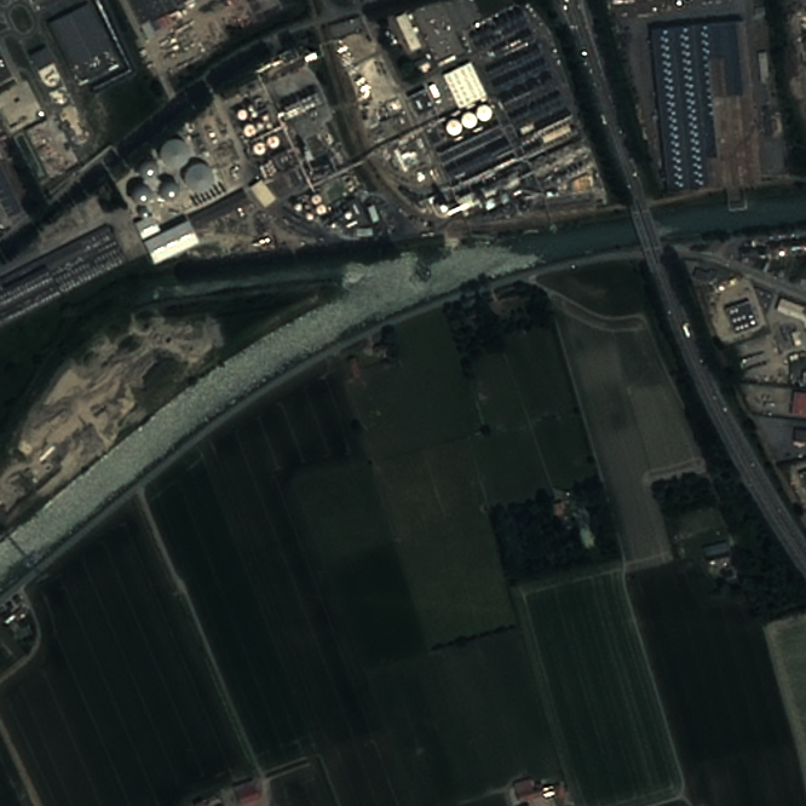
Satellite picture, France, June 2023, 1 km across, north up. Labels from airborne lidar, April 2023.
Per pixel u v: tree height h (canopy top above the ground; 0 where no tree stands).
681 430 0
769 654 0
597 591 0
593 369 0
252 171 0
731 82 0
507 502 0
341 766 0
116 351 0
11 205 0
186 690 0
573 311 0
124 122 0
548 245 0
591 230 0
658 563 0
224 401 0
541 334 0
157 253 0
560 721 0
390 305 0
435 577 0
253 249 0
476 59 0
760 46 0
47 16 0
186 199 0
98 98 0
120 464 0
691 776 0
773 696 0
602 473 0
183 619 0
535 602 0
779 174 0
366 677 0
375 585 0
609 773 0
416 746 0
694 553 0
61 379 0
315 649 0
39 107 0
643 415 0
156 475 0
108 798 0
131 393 0
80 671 0
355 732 0
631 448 0
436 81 0
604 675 0
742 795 0
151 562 0
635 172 0
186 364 0
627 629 0
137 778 0
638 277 0
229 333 0
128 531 0
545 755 0
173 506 0
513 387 0
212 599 0
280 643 0
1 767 0
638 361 0
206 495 0
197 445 0
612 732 0
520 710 0
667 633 0
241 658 0
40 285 0
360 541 0
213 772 0
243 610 0
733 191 0
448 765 0
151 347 0
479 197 0
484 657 0
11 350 0
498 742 0
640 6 0
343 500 0
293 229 0
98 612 0
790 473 0
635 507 0
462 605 0
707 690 0
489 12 0
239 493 0
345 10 0
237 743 0
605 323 0
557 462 0
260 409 0
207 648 0
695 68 0
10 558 0
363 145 0
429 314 0
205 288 0
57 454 0
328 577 0
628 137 15
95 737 0
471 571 0
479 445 0
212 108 0
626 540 0
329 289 0
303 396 0
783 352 0
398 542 0
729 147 0
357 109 0
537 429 0
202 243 0
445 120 0
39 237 0
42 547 0
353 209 0
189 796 0
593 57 0
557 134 0
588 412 0
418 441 0
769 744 0
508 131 0
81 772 0
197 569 0
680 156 0
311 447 0
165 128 27
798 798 0
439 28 0
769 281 0
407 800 0
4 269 0
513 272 0
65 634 0
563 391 0
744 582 14
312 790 0
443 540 0
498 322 22
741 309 0
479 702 0
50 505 0
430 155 0
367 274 0
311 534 0
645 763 0
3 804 0
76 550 0
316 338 0
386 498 0
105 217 0
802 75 0
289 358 0
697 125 0
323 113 0
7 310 0
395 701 0
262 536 0
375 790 0
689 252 0
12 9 0
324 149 0
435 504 0
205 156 0
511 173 0
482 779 0
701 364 0
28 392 0
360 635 0
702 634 0
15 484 0
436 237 0
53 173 0
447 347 0
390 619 0
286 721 0
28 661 0
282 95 0
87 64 0
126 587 0
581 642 0
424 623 0
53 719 0
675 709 0
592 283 0
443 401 0
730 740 0
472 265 0
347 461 0
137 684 0
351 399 0
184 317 0
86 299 0
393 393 0
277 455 0
